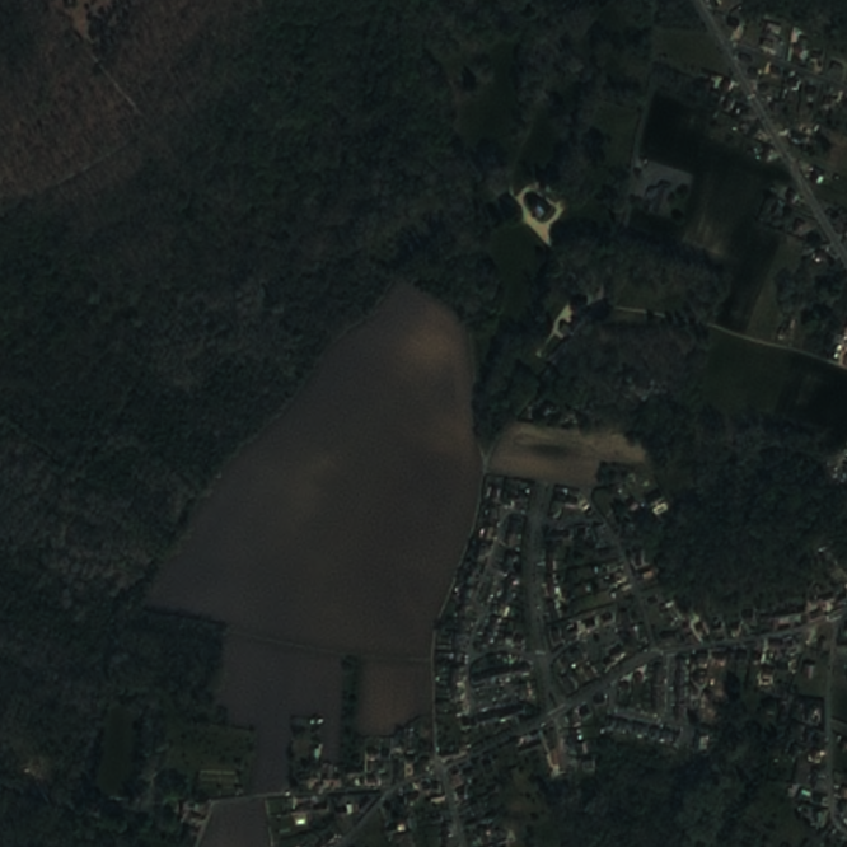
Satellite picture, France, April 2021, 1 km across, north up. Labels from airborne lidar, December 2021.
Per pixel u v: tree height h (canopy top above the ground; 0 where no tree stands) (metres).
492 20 26
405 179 24
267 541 0
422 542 0
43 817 36
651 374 22
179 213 24
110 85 10
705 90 13
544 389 18
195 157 23
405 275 16
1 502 26
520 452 0
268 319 22
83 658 8
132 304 9
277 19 23
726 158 0
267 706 0
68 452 14
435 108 23
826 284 14
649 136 0
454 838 0
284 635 0
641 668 0
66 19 21
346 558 0
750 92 0
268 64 24
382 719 0
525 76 32
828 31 12
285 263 7
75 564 23
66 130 16
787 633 0
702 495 18
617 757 9
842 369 0
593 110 18
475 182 18
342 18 24
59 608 11
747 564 26
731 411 0
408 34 24
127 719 0
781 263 0
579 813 18
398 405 0
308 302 6
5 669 27
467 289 28
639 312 0
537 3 21
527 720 14
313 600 0
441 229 29
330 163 13
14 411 11
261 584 0
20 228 17
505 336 25
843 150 0
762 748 8
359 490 0
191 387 6
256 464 0
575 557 11
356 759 7
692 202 0
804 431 18
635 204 12
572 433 0
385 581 0
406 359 0
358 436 0
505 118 0
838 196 0
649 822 18
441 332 0
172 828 20
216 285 20
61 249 23
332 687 0
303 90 26
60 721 27
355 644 0
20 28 28
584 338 19
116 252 29
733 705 5
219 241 20
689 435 6
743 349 0
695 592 23
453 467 0
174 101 20
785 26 0
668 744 0
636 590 0
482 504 7
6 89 24
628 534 12
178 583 0
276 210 14
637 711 0
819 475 18
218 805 0
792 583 19
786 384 0
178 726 0
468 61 0
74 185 15
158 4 11
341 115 12
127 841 25
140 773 21
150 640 32
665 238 0
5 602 10
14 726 30
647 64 20
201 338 30
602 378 32
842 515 13
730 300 0
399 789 0
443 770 0
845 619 0
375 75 25
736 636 0
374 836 0
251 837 0
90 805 31
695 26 11
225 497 0
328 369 0
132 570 6
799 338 0
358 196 9
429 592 0
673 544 20
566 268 16
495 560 0
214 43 16
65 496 25
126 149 14
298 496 0
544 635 7
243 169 29
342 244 33
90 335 23
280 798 0
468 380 0
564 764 0
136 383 12
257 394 7
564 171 26
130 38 16
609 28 0
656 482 0
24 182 14
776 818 7
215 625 13
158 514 20
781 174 0
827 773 0
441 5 29
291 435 0
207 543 0
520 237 0
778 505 27
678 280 16
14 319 24
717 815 33
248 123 23
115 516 20
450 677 0
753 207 0
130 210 15
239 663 0
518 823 21
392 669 0
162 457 19
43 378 11
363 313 6
